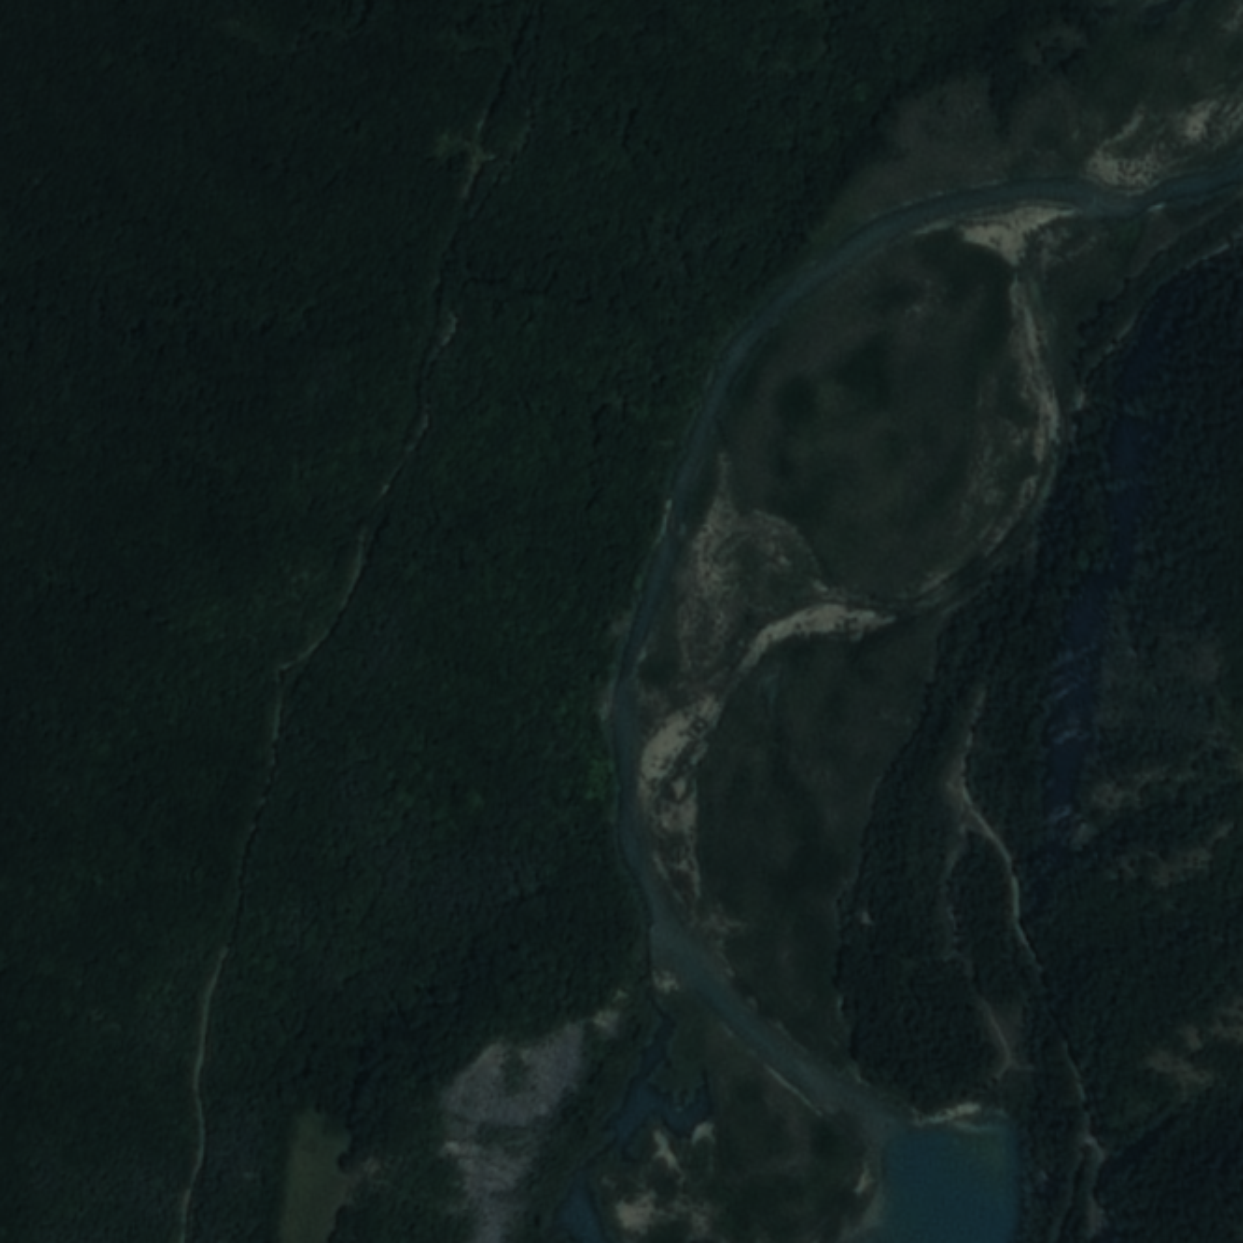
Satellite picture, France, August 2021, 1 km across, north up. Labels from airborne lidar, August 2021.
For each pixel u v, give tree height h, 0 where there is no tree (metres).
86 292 20
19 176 11
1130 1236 10
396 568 14
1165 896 9
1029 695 14
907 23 14
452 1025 21
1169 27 0
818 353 0
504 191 21
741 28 20
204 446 20
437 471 20
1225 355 19
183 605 17
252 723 11
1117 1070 9
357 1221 9
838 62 11
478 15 21
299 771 18
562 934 22
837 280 0
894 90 11
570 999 14
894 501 0
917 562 0
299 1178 0
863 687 0
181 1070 12
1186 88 0
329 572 8
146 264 17
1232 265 23
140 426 23
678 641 0
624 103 25
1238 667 11
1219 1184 13
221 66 11
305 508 15
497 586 19
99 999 15
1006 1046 0
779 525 0
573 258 22
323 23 9
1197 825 8
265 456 18
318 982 16
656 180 21
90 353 20
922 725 8
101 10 18
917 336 0
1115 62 0
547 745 12
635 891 12
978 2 16
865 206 0
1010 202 0
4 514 15
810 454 0
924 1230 0
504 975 23
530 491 22
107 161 19
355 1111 12
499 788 14
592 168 13
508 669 18
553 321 19
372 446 18
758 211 23
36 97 18
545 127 18
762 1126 0
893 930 14
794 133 21
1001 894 11
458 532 24
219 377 11
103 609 22
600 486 17
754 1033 0
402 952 15
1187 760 7
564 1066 0
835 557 0
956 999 10
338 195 20
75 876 16
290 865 21
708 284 22
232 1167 13
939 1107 6
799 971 0
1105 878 10
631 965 15
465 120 12
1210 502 7
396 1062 25
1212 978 10
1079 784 7
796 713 0
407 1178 12
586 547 17
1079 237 0
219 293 20
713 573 0
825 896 0
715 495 0
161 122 16
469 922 18
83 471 13
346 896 23
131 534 13
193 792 11
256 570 18
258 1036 20
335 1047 19
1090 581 7
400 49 13
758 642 0
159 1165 15
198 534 14
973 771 9
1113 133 0
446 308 19
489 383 23
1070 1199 20
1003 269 0
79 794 12
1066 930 15
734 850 0
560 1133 17
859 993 15
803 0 16
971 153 0
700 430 0
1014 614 15
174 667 16
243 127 15
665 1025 0
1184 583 8
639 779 0
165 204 16
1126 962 16
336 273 11
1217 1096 12
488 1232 0
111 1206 11
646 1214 0
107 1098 11
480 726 18
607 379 16
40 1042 12
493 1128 6
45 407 13
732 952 0
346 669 20
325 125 19
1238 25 0
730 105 13
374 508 7
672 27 16
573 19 19
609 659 17
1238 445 10
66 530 14
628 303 21
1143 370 6
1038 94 0
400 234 20
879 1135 0
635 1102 0
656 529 13
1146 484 8
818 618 0
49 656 14
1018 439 0
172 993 8
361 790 15
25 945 12
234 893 7
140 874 20
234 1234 9
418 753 24
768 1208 0
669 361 15
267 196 11
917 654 0
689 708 0
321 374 12
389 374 20
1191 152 0
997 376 0
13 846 17
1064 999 15
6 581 17
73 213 11
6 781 13
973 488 0
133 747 16
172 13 14
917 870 7
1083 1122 8
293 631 9
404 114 18
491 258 24
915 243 0
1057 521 17
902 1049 16
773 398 0
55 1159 10
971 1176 0
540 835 18
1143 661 6
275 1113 20
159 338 26
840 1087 0
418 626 20
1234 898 6
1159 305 19
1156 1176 22
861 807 0
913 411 0
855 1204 0
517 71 15
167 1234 11
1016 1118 8
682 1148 0
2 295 24
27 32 21
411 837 16
